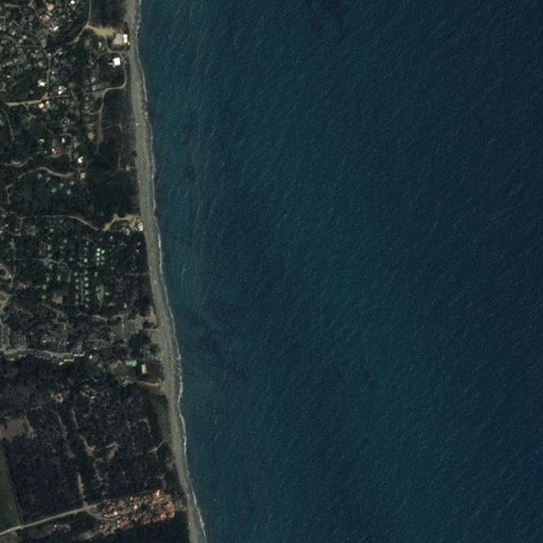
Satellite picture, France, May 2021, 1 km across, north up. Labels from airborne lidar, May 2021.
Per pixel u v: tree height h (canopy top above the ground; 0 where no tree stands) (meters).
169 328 0
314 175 0
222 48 0
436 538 0
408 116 0
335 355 0
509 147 0
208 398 0
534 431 0
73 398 21
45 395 9
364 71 0
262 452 0
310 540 0
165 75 0
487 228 0
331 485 0
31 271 13
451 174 0
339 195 0
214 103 0
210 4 0
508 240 0
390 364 0
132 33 0
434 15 0
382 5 0
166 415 0
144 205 0
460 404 0
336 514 0
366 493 0
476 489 0
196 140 0
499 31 0
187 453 0
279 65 0
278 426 0
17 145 8
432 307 0
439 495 0
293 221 0
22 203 8
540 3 0
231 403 0
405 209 0
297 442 0
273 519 0
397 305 0
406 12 0
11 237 6
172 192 0
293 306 0
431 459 0
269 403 0
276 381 0
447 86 0
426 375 0
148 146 0
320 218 0
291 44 0
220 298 0
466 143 0
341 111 0
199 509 0
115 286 8
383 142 0
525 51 0
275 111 0
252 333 0
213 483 0
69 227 9
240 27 0
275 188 0
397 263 0
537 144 0
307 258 0
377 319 0
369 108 0
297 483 0
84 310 22
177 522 10
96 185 7
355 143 0
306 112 0
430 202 0
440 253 0
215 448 0
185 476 0
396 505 0
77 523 8
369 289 0
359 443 0
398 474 0
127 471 21
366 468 0
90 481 7
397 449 0
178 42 0
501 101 0
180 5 0
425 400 0
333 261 0
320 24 0
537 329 0
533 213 0
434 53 0
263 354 0
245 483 0
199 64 0
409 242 0
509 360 0
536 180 0
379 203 0
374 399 0
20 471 19
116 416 13
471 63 0
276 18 0
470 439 0
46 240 14
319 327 0
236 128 0
